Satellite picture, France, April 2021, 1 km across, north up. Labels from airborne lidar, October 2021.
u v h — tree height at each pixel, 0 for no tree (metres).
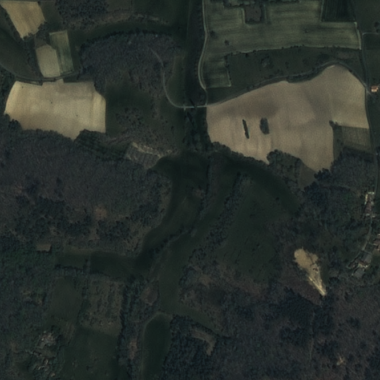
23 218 16
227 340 13
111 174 18
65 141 14
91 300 0
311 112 0
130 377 12
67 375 0
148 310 12
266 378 19
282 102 0
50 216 20
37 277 24
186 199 0
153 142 16
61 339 8
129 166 23
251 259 0
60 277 16
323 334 9
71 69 0
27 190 13
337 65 0
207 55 0
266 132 14
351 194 23
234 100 0
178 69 0
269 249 0
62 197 22
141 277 0
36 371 7
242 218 0
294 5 0
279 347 18
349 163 20
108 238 22
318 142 0
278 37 0
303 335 19
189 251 0
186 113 0
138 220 18
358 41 0
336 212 24
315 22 0
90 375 0
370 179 17
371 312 17
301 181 0
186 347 11
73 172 21
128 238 14
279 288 22
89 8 8
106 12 11
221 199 0
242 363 22
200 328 11
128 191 21
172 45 20
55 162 19
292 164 0
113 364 0
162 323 0
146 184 22
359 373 23
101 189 17
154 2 0
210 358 9
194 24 0
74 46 0
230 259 0
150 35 22
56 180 16
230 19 0
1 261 24
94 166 17
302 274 15
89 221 16
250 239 0
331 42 0
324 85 0
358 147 0
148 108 0
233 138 0
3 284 24
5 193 19
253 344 20
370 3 0
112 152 13
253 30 0
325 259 8
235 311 20
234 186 6
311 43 0
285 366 18
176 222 0
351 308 13
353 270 6
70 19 13
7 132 17
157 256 28
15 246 24
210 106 0
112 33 0
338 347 24
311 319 20
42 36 12
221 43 0
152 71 19
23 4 0
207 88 0
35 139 15
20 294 23
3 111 12
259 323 15
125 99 0
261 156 0
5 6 0
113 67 22
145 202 16
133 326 20
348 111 0
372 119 0
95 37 0
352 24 0
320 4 0
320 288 0
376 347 14
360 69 0
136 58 21
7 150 20
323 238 0
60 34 0
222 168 0
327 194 19
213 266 10
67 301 0
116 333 0
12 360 22
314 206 19
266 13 0
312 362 11
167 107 0
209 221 0
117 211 21
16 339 22
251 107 0
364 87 0
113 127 0
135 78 23
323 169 0
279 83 0
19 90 0
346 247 16
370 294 19
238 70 0
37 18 0
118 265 0
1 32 0
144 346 0
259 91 0
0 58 0
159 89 12
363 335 15
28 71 0
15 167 18
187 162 0
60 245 8
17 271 25
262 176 0
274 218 0
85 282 7
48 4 0
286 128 0
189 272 18
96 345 0
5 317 25
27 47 16
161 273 0
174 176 0
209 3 0
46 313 18
